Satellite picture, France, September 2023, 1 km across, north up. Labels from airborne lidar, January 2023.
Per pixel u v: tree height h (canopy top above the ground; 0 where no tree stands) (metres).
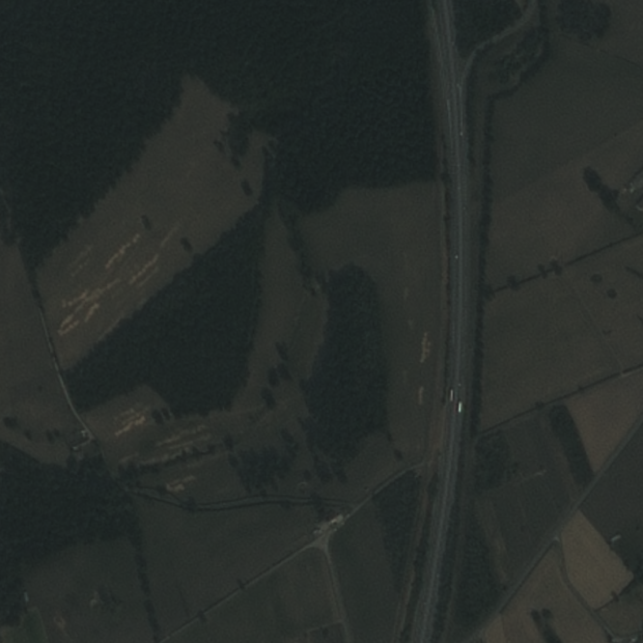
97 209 0
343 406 20
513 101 0
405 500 8
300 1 17
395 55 18
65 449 0
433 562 0
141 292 0
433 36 0
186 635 0
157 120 13
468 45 6
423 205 0
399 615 0
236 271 19
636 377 0
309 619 0
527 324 0
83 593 0
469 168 0
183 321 14
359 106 15
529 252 0
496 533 0
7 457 0
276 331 0
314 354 0
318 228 0
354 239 0
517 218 0
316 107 22
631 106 0
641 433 0
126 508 21
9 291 0
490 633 0
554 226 0
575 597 0
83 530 21
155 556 0
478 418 12
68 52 17
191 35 17
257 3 25
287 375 17
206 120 0
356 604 0
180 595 0
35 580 0
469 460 0
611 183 0
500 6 15
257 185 0
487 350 0
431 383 0
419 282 0
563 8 10
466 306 0
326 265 0
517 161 0
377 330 13
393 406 0
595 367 0
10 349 0
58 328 0
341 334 21
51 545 17
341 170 19
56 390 0
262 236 10
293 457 13
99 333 0
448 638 0
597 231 0
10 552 14
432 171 13
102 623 0
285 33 21
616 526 0
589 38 10
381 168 17
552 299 0
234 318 19
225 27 20
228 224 0
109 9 18
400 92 16
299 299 0
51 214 15
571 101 0
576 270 0
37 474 18
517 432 0
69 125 19
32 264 9
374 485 0
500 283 0
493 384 0
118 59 17
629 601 0
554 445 0
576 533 0
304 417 0
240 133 7
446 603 6
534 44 6
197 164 0
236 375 17
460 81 0
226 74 12
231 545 0
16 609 16
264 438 0
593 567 0
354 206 0
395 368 0
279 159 10
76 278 0
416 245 0
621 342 0
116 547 0
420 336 0
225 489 0
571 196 0
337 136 18
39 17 15
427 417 0
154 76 13
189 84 0
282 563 0
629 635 0
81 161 16
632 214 0
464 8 15
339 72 18
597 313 0
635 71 0
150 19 17
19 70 14
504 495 0
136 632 0
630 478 0
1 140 16
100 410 0
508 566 0
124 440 0
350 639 0
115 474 0
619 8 0
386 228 0
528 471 0
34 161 16
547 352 0
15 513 21
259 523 0
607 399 0
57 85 20
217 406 14
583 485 0
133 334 19
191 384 15
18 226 12
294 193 19
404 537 8
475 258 0
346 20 20
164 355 15
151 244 0
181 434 0
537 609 0
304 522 0
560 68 0
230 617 0
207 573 0
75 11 17
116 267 0
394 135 17
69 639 0
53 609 0
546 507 0
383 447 0
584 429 0
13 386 0
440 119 0
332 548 0
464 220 0
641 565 17
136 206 0
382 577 0
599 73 0
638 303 0
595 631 0
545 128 0
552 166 0
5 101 20
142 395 0
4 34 21
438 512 0
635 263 0
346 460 12
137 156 12
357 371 13
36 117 19
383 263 0
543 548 0
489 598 13
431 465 0
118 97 19
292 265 0
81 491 19
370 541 0
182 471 0
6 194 14
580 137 0
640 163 0
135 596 0
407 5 22
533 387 0
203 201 0
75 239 0
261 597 0
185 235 0
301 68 17
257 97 13
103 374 18
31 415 0
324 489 0
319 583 0
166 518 0
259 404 0
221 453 0
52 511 19
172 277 0
